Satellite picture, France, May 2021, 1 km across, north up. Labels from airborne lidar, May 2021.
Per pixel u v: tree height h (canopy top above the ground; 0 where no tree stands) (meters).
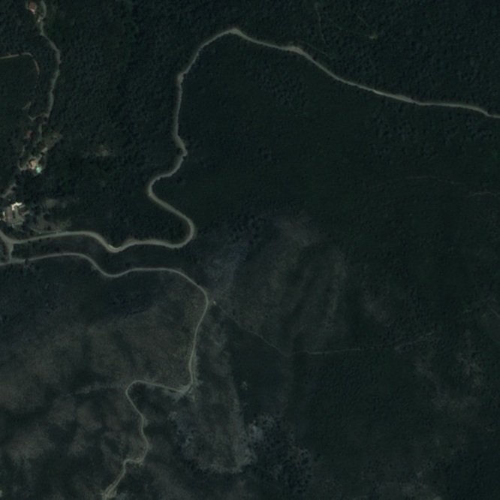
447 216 7
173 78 6
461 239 5
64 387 0
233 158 7
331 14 15
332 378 6
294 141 6
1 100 10
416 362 6
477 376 9
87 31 10
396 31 17
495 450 8
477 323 10
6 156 17
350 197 5
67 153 15
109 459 0
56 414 0
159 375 0
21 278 8
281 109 6
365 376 8
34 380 0
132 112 18
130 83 19
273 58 8
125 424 0
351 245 13
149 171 5
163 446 0
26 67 5
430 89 9
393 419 6
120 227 7
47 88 14
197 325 0
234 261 0
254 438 10
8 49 14
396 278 6
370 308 0
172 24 13
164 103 20
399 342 8
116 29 19
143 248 10
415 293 9
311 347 0
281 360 0
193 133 6
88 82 21
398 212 6
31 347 0
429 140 7
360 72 19
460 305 6
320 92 7
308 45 11
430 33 7
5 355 0
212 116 7
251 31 9
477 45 8
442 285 5
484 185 9
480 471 8
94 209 6
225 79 6
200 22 13
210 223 9
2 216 7
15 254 17
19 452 0
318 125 8
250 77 8
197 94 7
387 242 13
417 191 6
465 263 7
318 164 6
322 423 7
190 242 6
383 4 14
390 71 11
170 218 8
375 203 6
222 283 0
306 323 0
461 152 6
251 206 11
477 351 6
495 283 13
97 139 15
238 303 0
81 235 0
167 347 0
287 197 6
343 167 6
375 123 13
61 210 9
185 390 0
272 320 0
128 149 20
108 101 19
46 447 0
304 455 12
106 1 17
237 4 13
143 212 9
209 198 7
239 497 0
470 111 6
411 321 10
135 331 0
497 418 10
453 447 10
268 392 0
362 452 6
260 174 7
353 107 6
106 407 0
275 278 0
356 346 6
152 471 0
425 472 7
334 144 6
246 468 8
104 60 16
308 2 7
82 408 0
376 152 14
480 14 13
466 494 12
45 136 13
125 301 8
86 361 0
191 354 0
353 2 18
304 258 7
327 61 11
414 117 7
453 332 12
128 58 16
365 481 6
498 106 12
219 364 0
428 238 11
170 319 0
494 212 8
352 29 6
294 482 20
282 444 19
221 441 0
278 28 7
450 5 11
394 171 5
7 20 14
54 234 0
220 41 7
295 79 13
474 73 12
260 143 9
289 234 0
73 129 20
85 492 0
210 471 16
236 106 6
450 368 8
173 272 0
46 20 11
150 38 14
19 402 0
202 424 0
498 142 9
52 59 11
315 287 0
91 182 10
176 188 6
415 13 19
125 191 9
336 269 0
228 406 0
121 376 0
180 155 8
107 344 0
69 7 13
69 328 0
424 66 9
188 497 0
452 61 8
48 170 14
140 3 21
